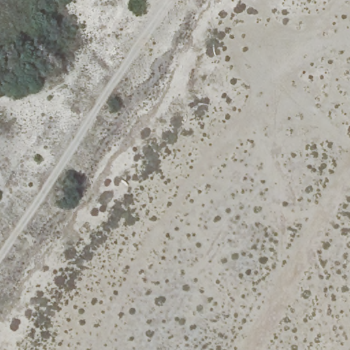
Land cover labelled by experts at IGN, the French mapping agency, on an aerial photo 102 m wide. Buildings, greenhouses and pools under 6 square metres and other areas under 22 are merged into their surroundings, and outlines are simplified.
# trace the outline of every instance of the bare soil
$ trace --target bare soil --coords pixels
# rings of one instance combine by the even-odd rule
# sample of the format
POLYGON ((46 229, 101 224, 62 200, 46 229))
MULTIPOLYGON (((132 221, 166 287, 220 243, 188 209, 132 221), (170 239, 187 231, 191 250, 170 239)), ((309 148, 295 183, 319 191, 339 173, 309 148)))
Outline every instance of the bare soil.
POLYGON ((129 78, 120 79, 107 103, 98 112, 92 129, 87 131, 86 137, 72 154, 66 170, 81 172, 86 180, 89 180, 89 187, 83 193, 78 206, 72 209, 59 208, 53 200, 51 191, 46 194, 44 202, 31 216, 25 230, 18 235, 18 241, 12 245, 10 253, 0 262, 0 350, 350 350, 350 0, 220 0, 219 3, 212 5, 211 10, 205 12, 200 22, 196 21, 196 12, 187 12, 185 23, 176 31, 171 48, 150 64, 150 74, 146 81, 133 86, 129 78))
POLYGON ((105 75, 98 83, 90 81, 92 77, 87 66, 97 63, 103 70, 109 68, 105 60, 101 59, 89 45, 93 42, 92 37, 103 37, 104 34, 113 33, 116 29, 123 31, 123 27, 119 27, 120 19, 129 18, 133 14, 129 10, 129 0, 72 0, 67 5, 68 12, 77 15, 78 23, 86 23, 86 29, 79 30, 82 44, 85 46, 75 53, 74 70, 64 75, 63 82, 57 83, 53 89, 46 89, 44 86, 40 93, 30 94, 19 100, 0 97, 0 249, 10 237, 10 232, 14 230, 19 219, 25 215, 31 202, 40 194, 45 180, 59 163, 64 150, 70 146, 79 127, 85 122, 87 113, 92 111, 98 96, 111 79, 105 75))

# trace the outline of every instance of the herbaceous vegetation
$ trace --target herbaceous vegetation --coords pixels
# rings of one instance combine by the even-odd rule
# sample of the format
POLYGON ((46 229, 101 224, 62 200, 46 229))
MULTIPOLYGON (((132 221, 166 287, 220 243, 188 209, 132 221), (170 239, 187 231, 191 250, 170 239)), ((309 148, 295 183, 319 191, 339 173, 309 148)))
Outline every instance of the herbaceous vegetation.
POLYGON ((34 45, 34 38, 29 34, 33 26, 23 0, 0 0, 0 44, 5 37, 16 36, 27 45, 34 45))
POLYGON ((41 53, 48 60, 49 72, 41 71, 45 79, 44 86, 46 89, 53 89, 57 83, 63 82, 64 75, 74 70, 75 53, 85 46, 82 44, 79 30, 86 29, 86 23, 78 23, 77 15, 68 12, 67 5, 59 4, 59 12, 53 11, 52 18, 56 21, 55 30, 60 40, 48 41, 44 36, 38 37, 38 55, 41 53))

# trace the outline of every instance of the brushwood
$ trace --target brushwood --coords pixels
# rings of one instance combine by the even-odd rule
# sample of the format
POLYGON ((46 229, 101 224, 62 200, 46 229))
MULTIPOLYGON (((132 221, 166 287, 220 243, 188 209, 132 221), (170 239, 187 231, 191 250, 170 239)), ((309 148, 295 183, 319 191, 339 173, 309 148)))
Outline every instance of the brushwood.
POLYGON ((89 187, 89 180, 86 180, 81 172, 66 170, 57 178, 51 191, 53 200, 59 208, 72 209, 78 206, 83 193, 89 187))
POLYGON ((145 15, 148 11, 148 0, 129 0, 129 10, 133 14, 145 15))
POLYGON ((59 4, 67 5, 72 0, 23 0, 33 26, 29 34, 34 38, 34 45, 27 45, 16 36, 5 37, 0 44, 0 97, 19 100, 30 94, 40 93, 44 86, 45 79, 41 71, 49 72, 48 60, 41 53, 38 55, 38 37, 44 36, 48 41, 60 40, 55 30, 56 21, 52 18, 53 11, 59 12, 59 4))

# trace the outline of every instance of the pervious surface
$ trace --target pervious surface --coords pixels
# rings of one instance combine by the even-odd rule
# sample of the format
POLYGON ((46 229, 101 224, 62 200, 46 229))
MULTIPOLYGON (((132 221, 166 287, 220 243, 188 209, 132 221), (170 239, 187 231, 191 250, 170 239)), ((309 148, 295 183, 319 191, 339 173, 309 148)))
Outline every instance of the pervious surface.
POLYGON ((205 12, 211 10, 212 5, 219 3, 220 0, 148 0, 148 11, 145 15, 133 14, 129 18, 120 19, 119 27, 123 27, 123 31, 116 29, 113 33, 104 34, 103 37, 92 37, 93 42, 89 45, 101 59, 105 60, 109 68, 103 70, 97 63, 87 66, 92 77, 90 81, 98 83, 105 75, 111 79, 98 96, 92 111, 87 113, 85 122, 79 127, 70 146, 64 150, 59 163, 45 180, 40 194, 31 202, 25 215, 19 219, 14 230, 10 232, 10 237, 0 249, 0 262, 10 253, 12 245, 18 241, 18 235, 25 230, 31 216, 44 202, 46 194, 51 191, 57 178, 66 170, 72 154, 86 137, 87 131, 92 129, 98 112, 107 103, 120 79, 129 78, 133 86, 146 81, 150 74, 150 64, 171 48, 176 31, 185 23, 187 12, 196 12, 196 21, 200 22, 205 12))

